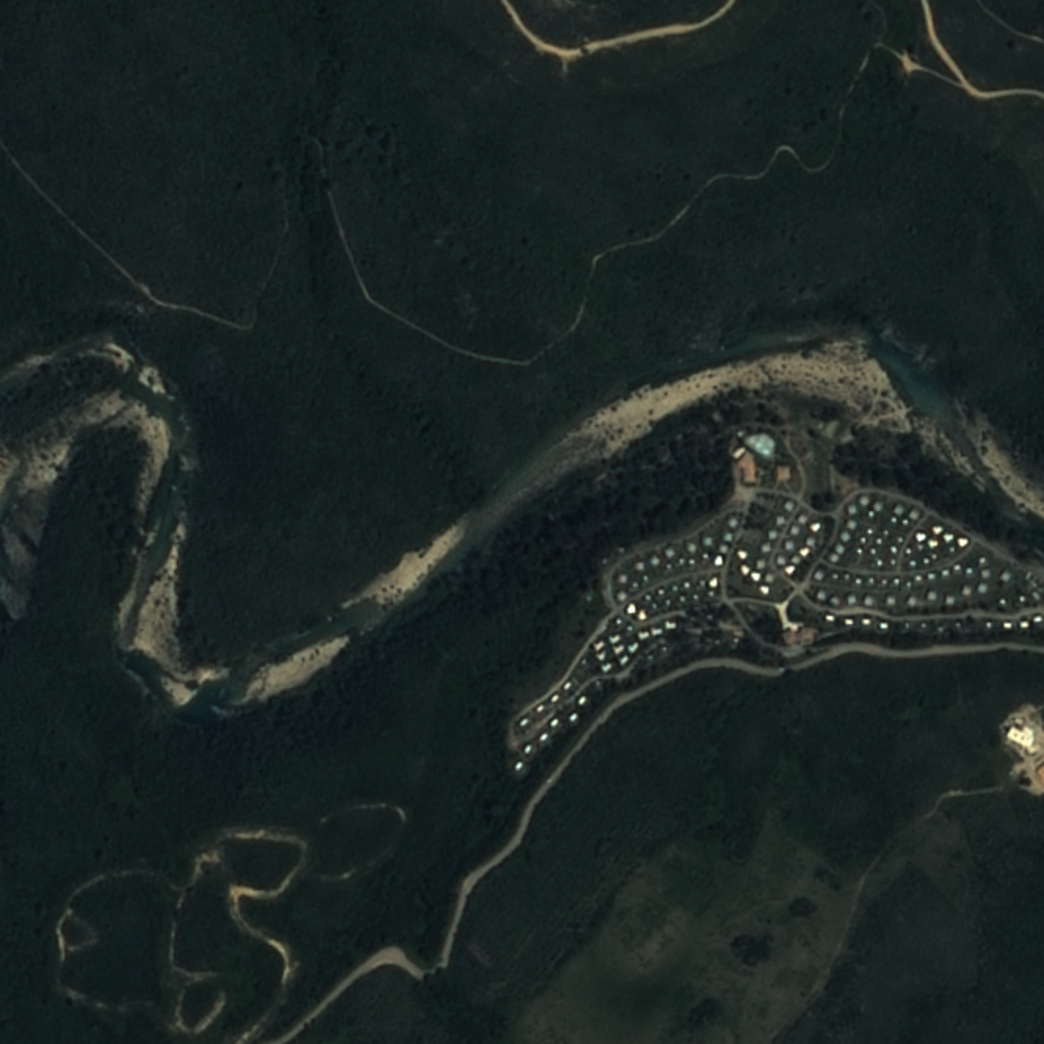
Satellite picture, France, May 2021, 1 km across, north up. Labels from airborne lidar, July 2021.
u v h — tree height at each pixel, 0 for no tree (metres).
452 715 6
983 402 6
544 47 0
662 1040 0
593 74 0
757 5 0
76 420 0
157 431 0
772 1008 0
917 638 8
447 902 7
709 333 8
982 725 0
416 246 5
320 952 6
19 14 7
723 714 10
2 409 10
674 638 19
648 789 7
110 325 10
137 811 6
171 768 11
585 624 7
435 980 12
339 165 6
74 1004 13
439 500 7
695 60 0
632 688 6
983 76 0
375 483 11
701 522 0
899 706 5
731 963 0
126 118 7
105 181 6
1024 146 0
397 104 7
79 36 6
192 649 7
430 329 6
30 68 7
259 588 8
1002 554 0
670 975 0
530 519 18
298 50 6
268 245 6
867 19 10
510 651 10
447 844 9
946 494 25
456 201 6
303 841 0
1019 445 9
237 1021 7
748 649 8
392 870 6
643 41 0
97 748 6
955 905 0
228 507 8
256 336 7
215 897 7
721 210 7
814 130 15
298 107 13
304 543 8
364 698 12
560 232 6
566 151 6
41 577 7
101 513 11
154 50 6
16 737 7
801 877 0
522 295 7
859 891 0
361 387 10
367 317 8
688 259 6
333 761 6
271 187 7
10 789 11
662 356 8
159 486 8
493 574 22
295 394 9
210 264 6
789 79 7
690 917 0
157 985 6
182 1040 0
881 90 7
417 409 13
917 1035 6
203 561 7
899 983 0
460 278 6
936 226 7
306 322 7
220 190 8
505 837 7
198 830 9
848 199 5
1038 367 8
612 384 5
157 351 6
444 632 7
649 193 7
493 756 10
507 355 7
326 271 6
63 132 7
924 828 0
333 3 9
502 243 6
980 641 7
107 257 6
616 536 26
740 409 24
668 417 8
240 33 6
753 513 6
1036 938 7
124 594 9
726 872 0
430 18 6
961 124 0
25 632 6
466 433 7
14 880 13
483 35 0
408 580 0
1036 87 0
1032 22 6
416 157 6
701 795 6
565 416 10
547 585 14
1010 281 6
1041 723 0
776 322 12
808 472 0
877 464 12
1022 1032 6
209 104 7
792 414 0
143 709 9
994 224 8
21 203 7
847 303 9
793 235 6
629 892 0
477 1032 7
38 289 7
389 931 5
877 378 0
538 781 8
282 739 9
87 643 5
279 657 6
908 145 6
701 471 13
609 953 0
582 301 6
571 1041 0
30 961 10
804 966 0
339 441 8
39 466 0
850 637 7
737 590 6
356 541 9
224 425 9
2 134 8
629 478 16
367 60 8
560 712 6
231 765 13
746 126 6
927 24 0
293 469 6
